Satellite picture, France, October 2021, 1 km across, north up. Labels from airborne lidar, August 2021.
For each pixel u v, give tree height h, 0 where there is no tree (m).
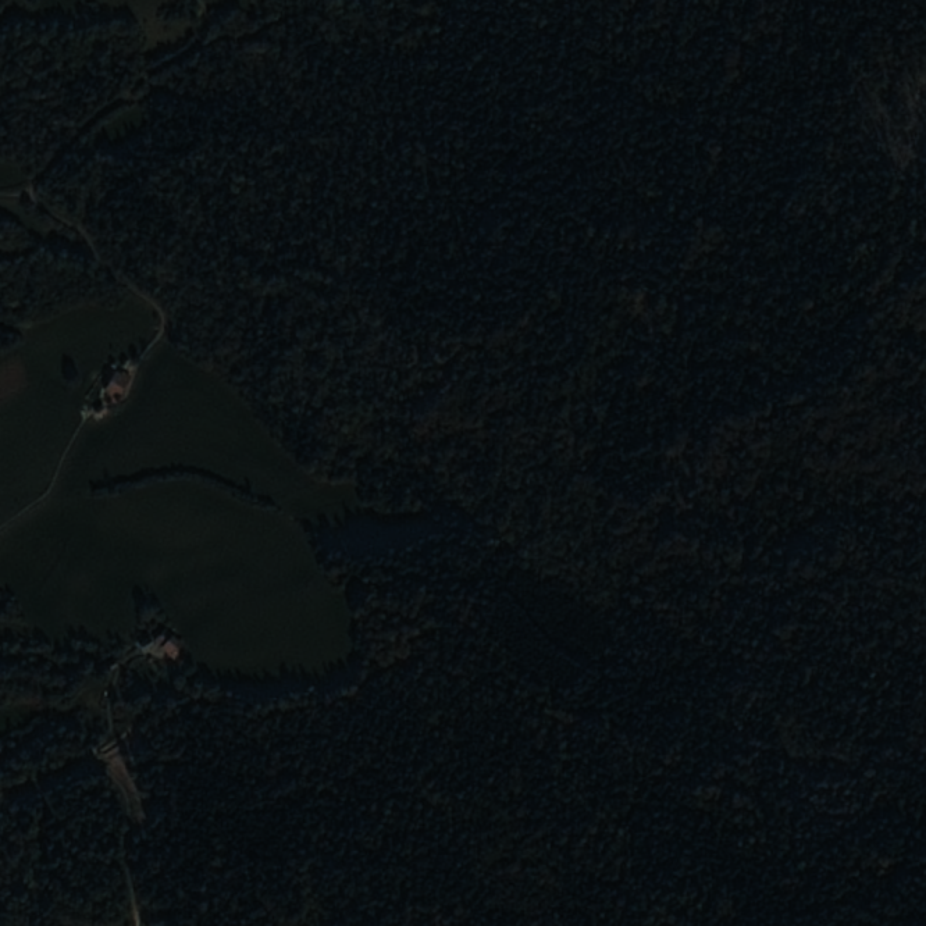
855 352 19
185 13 14
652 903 8
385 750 17
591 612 10
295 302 15
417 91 20
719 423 22
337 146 7
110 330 0
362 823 16
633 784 14
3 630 0
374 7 10
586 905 15
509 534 20
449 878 21
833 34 13
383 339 15
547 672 23
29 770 13
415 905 18
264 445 0
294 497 0
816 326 7
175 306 15
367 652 21
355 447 14
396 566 28
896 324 20
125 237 17
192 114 13
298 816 17
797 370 9
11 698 14
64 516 0
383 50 11
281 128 18
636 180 35
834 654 5
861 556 15
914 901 24
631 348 18
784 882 23
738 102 18
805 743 17
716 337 18
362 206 7
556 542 12
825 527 12
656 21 19
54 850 6
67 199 11
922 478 21
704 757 10
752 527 14
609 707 17
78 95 14
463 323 18
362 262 17
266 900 16
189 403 0
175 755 19
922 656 14
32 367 0
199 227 9
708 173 21
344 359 10
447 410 21
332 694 14
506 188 30
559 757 18
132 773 10
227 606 0
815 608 14
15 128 12
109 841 13
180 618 0
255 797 13
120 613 0
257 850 14
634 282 12
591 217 25
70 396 0
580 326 21
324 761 17
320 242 16
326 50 22
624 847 18
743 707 18
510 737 14
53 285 13
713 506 10
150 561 0
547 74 20
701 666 8
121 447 0
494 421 20
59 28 11
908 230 14
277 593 0
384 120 16
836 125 17
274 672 0
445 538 27
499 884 17
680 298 20
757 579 19
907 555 18
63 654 9
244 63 12
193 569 0
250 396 18
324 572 16
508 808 19
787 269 24
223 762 14
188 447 0
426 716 19
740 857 11
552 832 17
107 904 20
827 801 21
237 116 19
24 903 15
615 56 24
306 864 16
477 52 23
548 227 29
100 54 21
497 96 25
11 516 0
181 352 12
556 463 11
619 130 30
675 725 12
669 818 19
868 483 14
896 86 15
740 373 18
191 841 12
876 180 14
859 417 21
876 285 20
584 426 13
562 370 13
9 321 9
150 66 9
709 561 18
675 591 14
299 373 16
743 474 20
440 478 17
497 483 16
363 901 26
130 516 0
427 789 16
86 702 0
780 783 22
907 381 20
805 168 25
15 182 0
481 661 23
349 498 0
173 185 13
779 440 16
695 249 22
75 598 0
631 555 16
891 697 19
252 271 22
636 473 10
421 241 11
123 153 7
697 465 20
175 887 22
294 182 17
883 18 14
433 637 17
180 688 12
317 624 0
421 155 14
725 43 19
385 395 19
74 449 0
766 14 19
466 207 14
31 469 0
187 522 0
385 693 19
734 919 17
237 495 7
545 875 16
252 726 17
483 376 22
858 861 22
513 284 25
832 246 10
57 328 0
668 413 9
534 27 20
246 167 19
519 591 15
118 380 0
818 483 9
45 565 0
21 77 15
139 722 8
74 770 0
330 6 17
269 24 8
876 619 9
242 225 12
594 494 12
